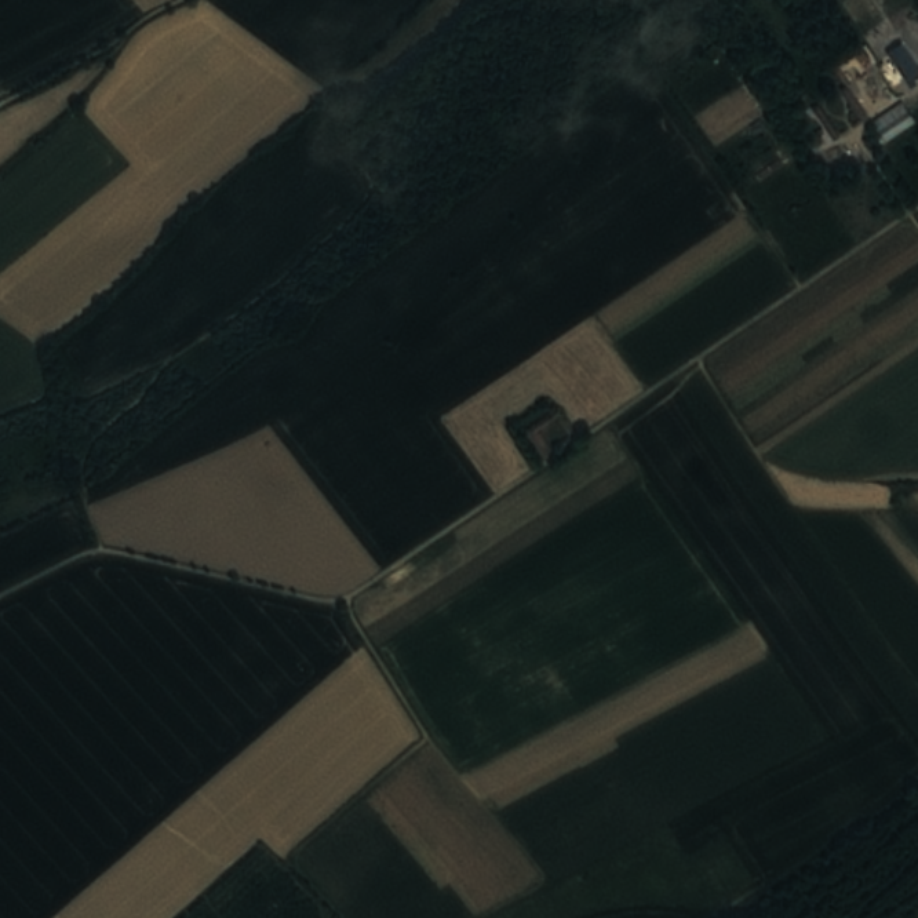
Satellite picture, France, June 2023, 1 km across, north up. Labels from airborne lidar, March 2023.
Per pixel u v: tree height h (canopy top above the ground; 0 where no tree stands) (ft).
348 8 0
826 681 0
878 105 0
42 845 0
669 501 0
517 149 55
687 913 0
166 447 0
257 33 0
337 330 0
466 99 55
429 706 0
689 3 51
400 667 0
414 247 0
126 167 0
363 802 0
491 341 0
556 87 50
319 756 0
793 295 0
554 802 0
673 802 0
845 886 43
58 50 0
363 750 0
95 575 0
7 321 0
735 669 0
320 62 0
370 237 47
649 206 0
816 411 0
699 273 0
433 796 0
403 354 0
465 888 0
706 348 0
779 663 0
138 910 0
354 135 52
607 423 0
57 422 44
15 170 0
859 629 0
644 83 0
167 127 0
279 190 0
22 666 0
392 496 0
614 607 0
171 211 0
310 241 0
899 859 26
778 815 0
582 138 0
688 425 0
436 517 0
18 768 0
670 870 0
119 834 0
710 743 0
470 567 0
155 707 0
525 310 0
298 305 50
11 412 27
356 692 0
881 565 0
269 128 0
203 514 0
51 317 0
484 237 0
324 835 0
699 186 0
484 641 0
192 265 0
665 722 0
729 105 0
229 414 0
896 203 73
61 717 0
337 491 0
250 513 0
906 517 0
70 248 0
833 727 0
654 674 0
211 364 0
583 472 0
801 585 0
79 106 54
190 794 0
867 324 0
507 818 0
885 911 42
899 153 0
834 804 0
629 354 0
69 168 0
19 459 0
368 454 0
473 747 0
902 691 0
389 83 85
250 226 0
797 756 0
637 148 0
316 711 0
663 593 0
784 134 70
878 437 0
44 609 0
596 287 0
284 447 0
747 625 0
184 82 0
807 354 0
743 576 0
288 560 0
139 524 0
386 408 0
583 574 0
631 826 0
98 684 0
